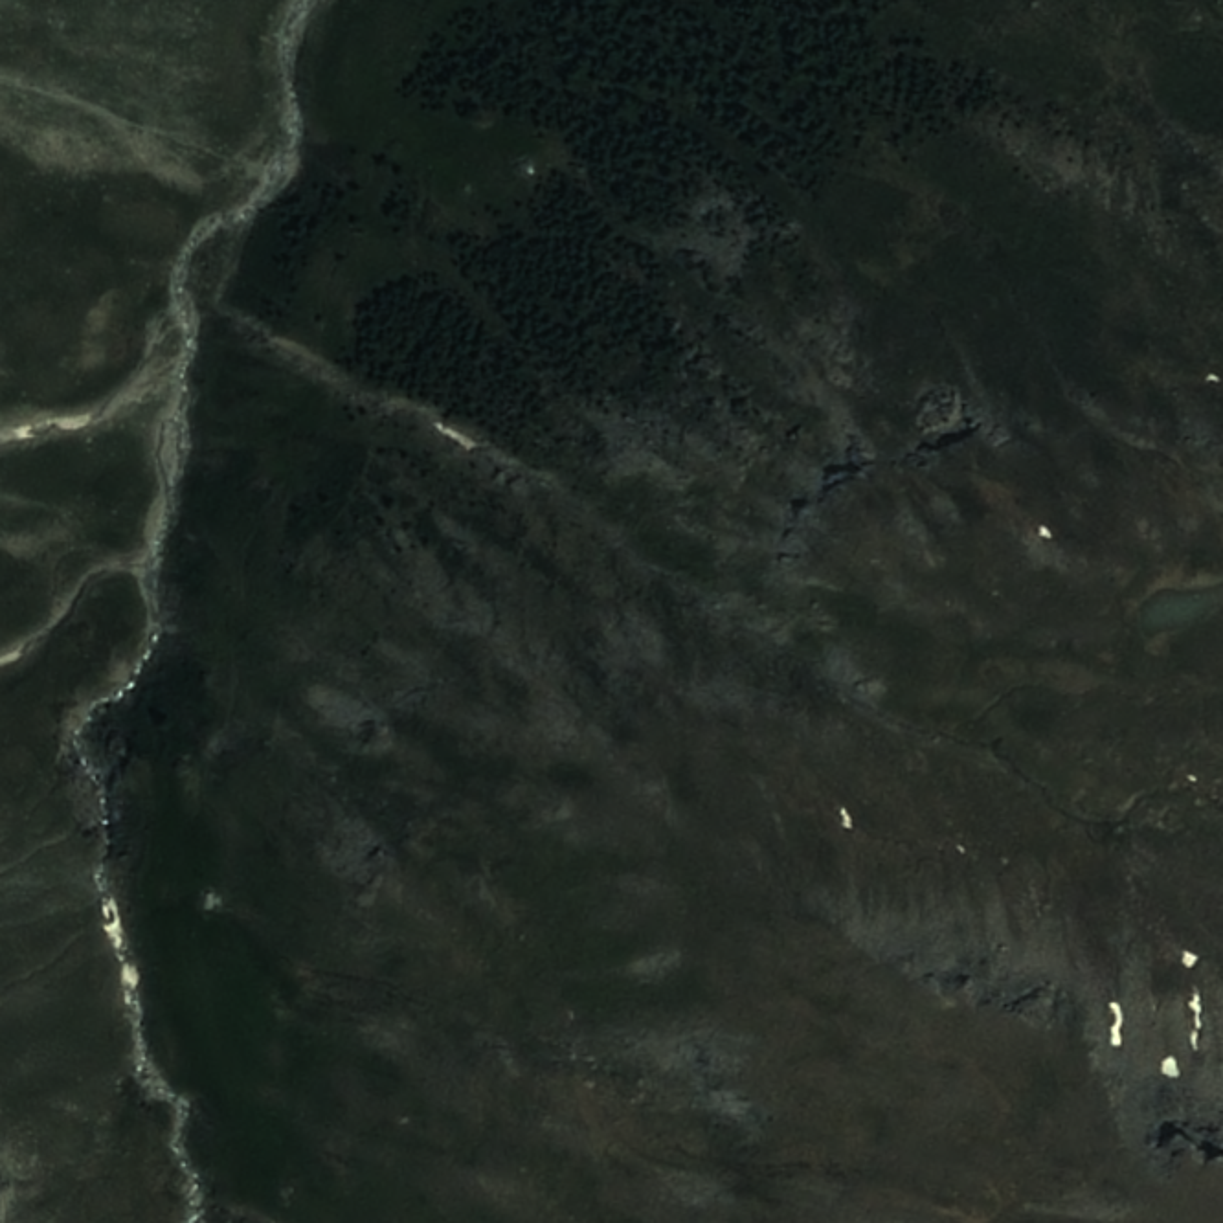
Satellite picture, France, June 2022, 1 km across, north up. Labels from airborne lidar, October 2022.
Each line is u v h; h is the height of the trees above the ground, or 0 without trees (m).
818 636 0
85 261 0
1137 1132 0
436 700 0
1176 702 0
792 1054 0
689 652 0
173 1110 0
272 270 0
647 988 0
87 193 0
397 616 0
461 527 0
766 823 0
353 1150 0
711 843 0
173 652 0
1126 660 0
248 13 0
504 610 0
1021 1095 0
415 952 0
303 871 0
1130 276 0
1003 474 0
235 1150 0
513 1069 0
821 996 0
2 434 0
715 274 6
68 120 0
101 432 0
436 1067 0
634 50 11
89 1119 0
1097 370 0
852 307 0
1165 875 0
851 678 0
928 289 0
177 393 0
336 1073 0
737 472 0
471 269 13
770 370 0
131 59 0
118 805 0
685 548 0
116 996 0
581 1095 0
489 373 8
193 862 0
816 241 0
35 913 0
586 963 0
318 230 10
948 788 0
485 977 0
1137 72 0
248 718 0
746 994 0
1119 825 0
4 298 0
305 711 0
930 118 6
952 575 0
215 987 0
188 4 0
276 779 0
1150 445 0
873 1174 0
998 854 0
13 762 0
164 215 0
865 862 0
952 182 0
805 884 0
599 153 9
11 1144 0
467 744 0
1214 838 0
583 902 0
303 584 0
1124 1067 0
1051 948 0
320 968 0
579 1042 0
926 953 0
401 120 0
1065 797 0
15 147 0
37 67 0
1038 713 0
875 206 0
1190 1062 0
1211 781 0
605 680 0
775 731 0
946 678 0
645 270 12
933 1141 0
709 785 0
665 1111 0
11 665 0
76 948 0
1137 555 0
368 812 0
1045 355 0
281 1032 0
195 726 0
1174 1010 0
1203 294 0
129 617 0
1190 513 0
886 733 0
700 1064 0
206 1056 0
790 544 0
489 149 0
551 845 0
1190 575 0
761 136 10
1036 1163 0
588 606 0
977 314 0
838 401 0
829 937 0
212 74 0
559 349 6
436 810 0
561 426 0
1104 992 0
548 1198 0
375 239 0
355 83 0
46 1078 0
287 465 0
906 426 0
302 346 0
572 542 0
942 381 0
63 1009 0
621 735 0
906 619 0
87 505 0
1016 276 0
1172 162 0
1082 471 0
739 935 0
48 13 0
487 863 0
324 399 0
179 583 0
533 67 12
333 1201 0
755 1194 0
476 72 13
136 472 0
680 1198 0
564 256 9
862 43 12
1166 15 0
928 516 0
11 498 0
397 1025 0
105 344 0
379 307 12
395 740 0
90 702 0
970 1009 0
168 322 0
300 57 0
